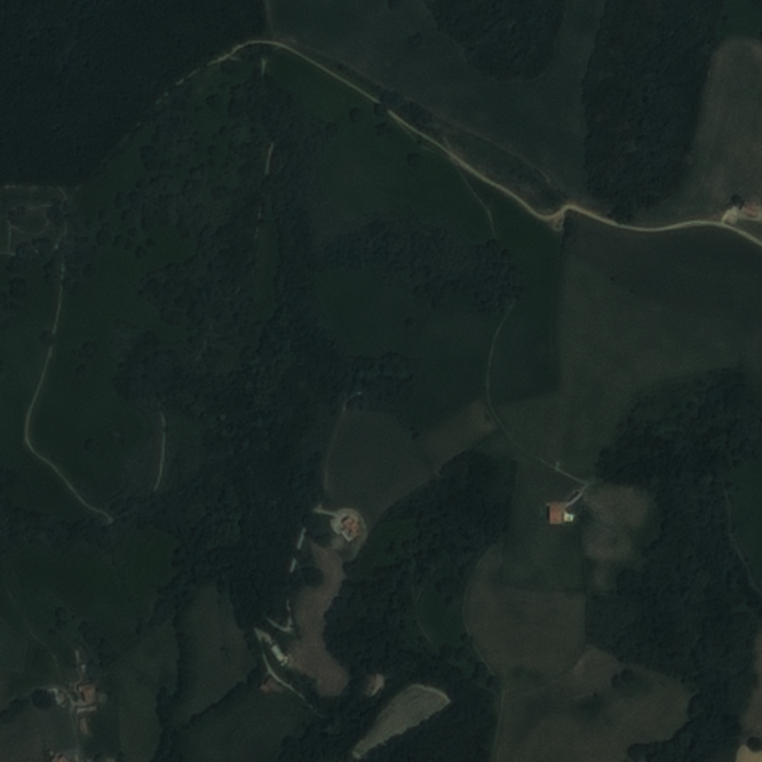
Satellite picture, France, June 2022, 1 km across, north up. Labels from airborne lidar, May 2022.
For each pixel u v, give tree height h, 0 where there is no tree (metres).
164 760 16
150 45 20
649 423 6
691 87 9
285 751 9
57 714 0
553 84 0
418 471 0
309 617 0
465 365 0
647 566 7
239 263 9
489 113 0
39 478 0
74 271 13
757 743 12
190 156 12
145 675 0
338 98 0
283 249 11
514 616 0
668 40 15
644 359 0
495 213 0
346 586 9
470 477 19
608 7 9
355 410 11
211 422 18
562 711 0
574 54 0
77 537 12
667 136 20
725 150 0
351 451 0
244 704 0
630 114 15
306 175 6
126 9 23
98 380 0
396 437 0
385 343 0
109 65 21
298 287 15
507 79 9
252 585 16
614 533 0
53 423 0
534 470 0
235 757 0
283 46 0
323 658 0
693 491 20
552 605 0
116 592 0
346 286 0
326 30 0
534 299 0
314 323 8
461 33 12
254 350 9
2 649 0
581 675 0
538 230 0
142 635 14
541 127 0
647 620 19
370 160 0
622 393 0
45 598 0
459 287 12
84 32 32
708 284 0
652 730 0
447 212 0
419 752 28
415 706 0
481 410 0
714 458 26
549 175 0
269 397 24
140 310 0
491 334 0
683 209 0
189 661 9
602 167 15
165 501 15
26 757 0
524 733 0
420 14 0
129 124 20
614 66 16
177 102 13
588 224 0
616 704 0
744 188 0
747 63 0
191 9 14
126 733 0
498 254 8
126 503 9
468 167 0
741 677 8
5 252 0
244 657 0
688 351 0
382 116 12
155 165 15
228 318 23
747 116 0
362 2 0
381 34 0
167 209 13
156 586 0
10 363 0
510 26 19
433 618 0
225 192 11
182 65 16
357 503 0
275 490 15
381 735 0
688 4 15
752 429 18
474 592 0
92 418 0
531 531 0
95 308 0
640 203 10
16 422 0
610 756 0
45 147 21
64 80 26
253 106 14
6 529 9
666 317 0
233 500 25
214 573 7
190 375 17
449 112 0
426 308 0
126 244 11
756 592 7
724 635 17
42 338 8
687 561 29
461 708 22
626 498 0
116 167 0
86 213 0
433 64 0
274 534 15
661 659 20
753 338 0
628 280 0
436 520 17
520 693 0
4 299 15
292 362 22
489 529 20
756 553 0
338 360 15
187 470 5
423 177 0
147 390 23
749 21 0
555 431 0
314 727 12
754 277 0
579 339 0
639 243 0
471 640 10
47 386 0
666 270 0
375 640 20
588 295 0
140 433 0
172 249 0
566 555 0
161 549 0
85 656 0
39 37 29
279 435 17
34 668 0
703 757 11
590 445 0
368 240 9
